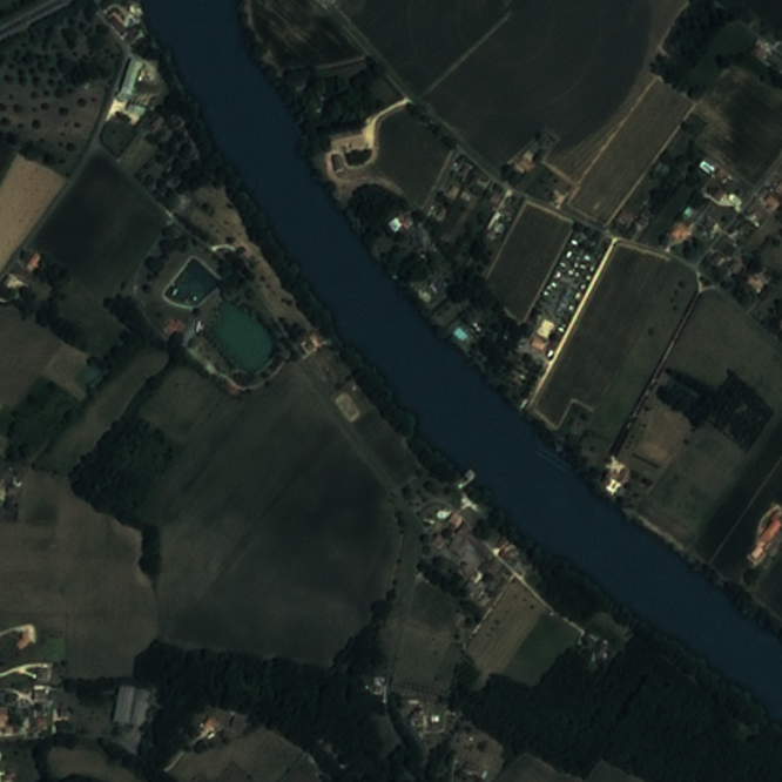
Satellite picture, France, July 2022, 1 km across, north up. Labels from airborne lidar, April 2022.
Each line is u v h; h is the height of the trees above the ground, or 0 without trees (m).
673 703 27
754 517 0
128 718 0
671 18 0
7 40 12
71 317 0
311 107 26
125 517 17
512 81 0
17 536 0
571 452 26
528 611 0
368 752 20
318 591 0
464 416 0
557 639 0
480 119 0
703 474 0
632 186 0
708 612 0
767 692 0
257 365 0
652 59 0
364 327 0
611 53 0
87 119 0
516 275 0
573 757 16
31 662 0
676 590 0
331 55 0
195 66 0
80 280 0
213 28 0
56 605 0
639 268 0
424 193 0
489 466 0
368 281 0
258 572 0
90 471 12
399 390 0
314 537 0
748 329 0
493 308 12
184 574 0
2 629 0
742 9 8
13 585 0
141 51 9
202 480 0
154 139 7
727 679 0
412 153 0
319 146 10
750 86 0
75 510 0
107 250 0
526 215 0
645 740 22
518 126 0
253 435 0
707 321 0
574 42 0
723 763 20
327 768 18
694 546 0
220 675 8
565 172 0
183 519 0
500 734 15
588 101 0
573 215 0
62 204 0
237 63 0
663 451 0
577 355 0
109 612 0
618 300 0
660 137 0
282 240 0
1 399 0
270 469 0
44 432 0
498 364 12
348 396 0
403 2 0
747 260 6
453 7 0
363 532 0
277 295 0
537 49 0
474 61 0
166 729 16
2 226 0
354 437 0
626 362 0
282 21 0
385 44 0
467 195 0
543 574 10
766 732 15
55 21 14
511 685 16
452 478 16
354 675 20
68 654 0
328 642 0
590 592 21
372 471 0
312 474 0
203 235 9
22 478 0
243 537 0
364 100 26
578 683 9
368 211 26
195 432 0
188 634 0
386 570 0
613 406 0
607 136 0
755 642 0
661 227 0
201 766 0
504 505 0
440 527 0
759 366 0
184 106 14
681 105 0
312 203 0
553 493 0
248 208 20
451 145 9
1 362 0
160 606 0
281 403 0
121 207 0
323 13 0
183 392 0
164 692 8
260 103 0
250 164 0
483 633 0
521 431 0
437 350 0
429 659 0
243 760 0
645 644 6
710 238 0
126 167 0
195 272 0
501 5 0
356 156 13
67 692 6
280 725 11
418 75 0
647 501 0
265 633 0
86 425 0
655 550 0
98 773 0
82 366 0
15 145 28
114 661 0
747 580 10
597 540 0
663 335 0
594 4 0
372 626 7
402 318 0
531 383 12
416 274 19
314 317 17
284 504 0
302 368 0
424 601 0
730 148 0
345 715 19
